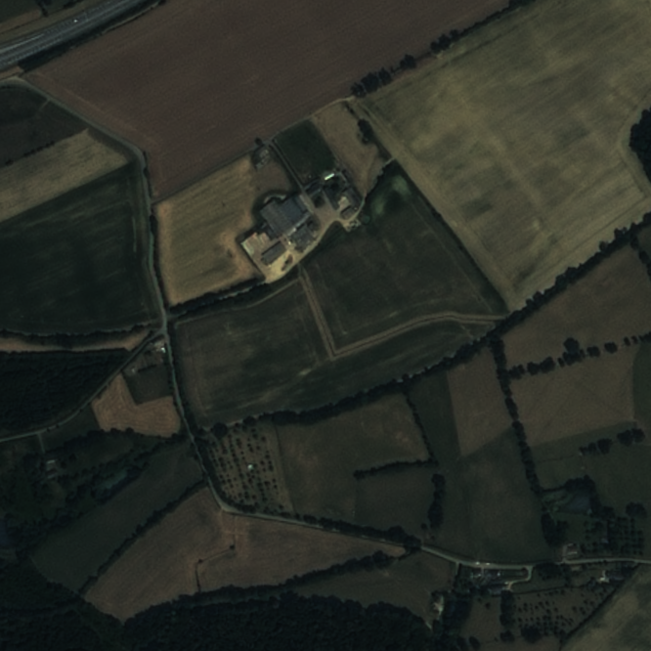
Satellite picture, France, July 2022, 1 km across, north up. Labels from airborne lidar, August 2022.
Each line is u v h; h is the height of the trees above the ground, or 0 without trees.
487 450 0
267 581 0
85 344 7
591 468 0
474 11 0
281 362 0
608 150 0
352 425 0
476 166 0
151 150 0
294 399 0
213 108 0
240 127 0
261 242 0
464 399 0
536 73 0
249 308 0
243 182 0
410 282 0
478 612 0
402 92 0
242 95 0
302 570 0
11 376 17
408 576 0
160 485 0
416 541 14
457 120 0
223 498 10
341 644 22
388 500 0
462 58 0
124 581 0
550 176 0
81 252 0
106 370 14
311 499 0
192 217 0
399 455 0
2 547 0
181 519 0
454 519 0
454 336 0
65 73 0
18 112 0
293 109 0
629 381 0
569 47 0
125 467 7
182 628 18
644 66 0
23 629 11
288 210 0
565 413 0
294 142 0
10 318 0
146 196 0
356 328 0
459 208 0
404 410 0
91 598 0
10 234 0
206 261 0
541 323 0
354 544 0
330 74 0
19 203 0
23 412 12
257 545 0
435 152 0
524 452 15
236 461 5
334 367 0
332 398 0
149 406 0
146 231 0
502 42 0
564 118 0
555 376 0
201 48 0
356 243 0
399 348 0
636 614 0
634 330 0
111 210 0
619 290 0
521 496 0
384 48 0
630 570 13
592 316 0
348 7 0
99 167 0
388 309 0
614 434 0
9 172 0
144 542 0
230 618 17
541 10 0
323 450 0
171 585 0
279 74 0
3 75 0
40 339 8
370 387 0
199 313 10
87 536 0
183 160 0
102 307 0
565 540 15
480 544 0
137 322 0
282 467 0
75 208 0
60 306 0
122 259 0
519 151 0
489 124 0
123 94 0
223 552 0
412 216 0
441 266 0
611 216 0
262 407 0
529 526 0
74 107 0
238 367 0
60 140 0
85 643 14
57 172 0
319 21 0
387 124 0
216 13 0
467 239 0
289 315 0
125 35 0
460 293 0
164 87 0
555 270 0
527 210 0
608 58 0
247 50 0
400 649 22
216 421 0
